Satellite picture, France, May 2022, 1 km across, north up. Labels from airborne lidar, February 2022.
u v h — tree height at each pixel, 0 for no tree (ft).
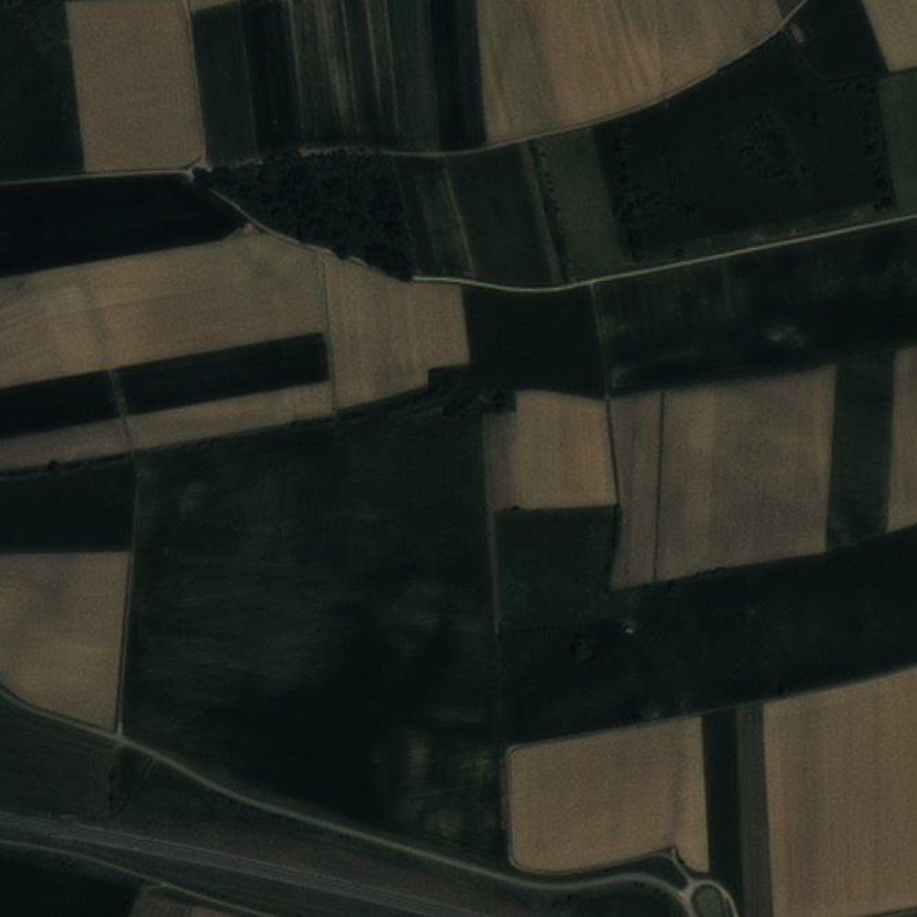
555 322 0
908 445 0
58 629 0
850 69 0
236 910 0
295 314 0
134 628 0
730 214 0
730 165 0
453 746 0
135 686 0
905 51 0
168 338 0
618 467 0
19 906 0
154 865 0
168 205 0
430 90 0
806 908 0
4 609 0
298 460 0
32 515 0
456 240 0
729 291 0
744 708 0
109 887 0
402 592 0
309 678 0
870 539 0
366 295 0
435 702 0
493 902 0
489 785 0
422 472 0
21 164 0
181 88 0
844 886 0
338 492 0
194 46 0
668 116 0
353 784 0
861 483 0
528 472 0
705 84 0
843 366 0
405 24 0
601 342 0
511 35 0
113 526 0
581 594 0
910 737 0
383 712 0
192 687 0
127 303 0
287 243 0
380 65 0
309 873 0
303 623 0
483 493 0
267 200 67
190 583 0
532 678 0
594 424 0
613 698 0
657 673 0
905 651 0
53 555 0
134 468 0
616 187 0
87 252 0
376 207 80
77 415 0
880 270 0
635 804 0
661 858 0
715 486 0
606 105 0
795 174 0
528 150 0
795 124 0
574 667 0
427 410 0
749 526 0
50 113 0
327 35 0
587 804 0
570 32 0
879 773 0
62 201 0
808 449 0
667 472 0
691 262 0
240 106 0
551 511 0
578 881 0
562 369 0
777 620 0
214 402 0
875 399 0
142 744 0
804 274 0
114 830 0
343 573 0
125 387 0
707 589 0
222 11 0
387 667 0
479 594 0
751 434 0
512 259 0
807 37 0
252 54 0
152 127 0
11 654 0
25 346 0
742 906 0
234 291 0
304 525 0
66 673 0
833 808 0
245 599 0
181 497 0
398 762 0
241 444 0
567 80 0
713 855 0
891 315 0
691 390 0
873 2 0
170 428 0
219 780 0
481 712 0
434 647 0
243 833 0
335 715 0
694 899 0
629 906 0
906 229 0
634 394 0
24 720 0
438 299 0
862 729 0
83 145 0
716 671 0
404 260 64
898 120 0
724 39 0
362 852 0
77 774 0
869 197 0
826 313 0
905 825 0
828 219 0
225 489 0
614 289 0
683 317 0
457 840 0
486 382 0
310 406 0
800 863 0
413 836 0
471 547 0
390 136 0
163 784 0
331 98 0
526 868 0
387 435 0
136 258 0
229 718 0
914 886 0
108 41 0
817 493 0
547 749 0
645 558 0
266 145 0
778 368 0
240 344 0
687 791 0
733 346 0
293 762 0
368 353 0
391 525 0
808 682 0
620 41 0
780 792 0
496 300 0
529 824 0
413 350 0
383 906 0
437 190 0
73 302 0
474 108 0
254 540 0
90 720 0
